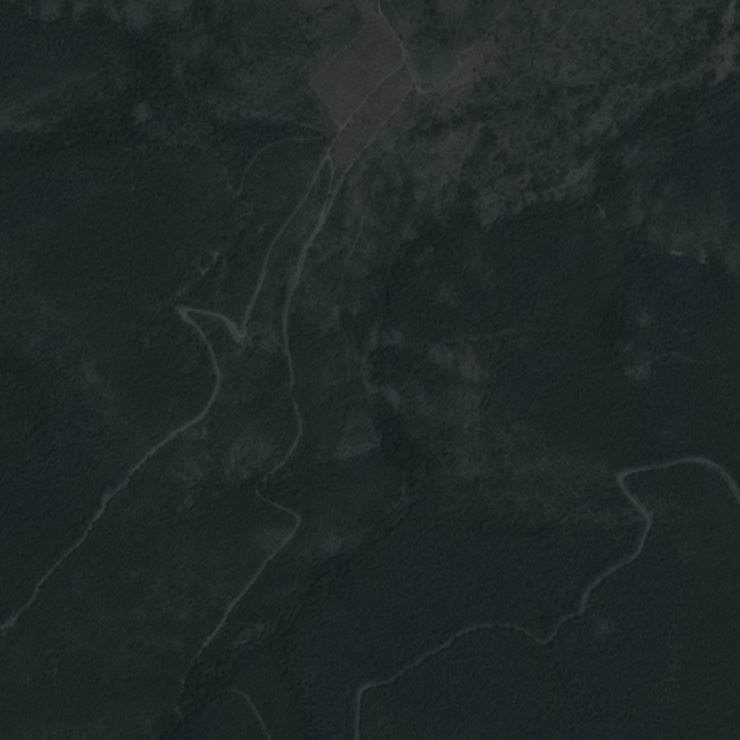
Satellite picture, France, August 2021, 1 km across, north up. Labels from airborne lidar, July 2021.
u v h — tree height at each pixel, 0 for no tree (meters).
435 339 6
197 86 6
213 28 6
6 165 6
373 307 6
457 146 0
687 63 5
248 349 6
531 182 6
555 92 6
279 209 0
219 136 6
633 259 8
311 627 6
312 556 6
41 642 6
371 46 0
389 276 5
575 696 6
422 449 6
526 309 6
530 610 7
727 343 6
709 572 5
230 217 6
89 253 6
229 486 6
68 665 6
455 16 0
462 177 6
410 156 0
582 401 5
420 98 0
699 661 6
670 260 7
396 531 7
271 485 13
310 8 0
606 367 7
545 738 7
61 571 6
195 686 12
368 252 0
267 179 0
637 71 6
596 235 6
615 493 6
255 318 5
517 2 0
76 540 7
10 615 6
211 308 7
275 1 0
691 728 6
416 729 6
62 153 7
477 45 0
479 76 0
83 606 7
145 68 8
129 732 6
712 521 5
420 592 7
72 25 6
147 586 5
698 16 6
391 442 8
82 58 6
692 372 6
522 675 8
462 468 0
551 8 0
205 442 6
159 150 6
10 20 6
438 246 7
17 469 6
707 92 17
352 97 0
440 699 5
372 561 8
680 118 7
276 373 9
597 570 7
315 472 6
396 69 0
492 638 6
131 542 5
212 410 6
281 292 6
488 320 6
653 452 8
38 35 6
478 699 6
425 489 5
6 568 7
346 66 0
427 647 7
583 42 7
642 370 0
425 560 6
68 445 6
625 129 6
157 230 6
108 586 7
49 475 5
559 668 6
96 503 6
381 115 0
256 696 7
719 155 6
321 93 0
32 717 6
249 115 8
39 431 8
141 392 6
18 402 7
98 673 7
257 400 7
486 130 6
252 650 7
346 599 7
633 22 0
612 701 7
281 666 8
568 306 6
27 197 5
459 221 8
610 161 7
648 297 6
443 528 7
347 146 0
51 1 0
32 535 6
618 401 7
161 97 7
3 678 7
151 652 6
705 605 5
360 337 7
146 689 8
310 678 6
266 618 7
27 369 10
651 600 5
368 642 6
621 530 7
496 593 7
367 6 0
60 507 6
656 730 5
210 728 6
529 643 6
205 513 7
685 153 5
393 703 5
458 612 7
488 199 0
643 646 5
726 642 5
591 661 6
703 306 6
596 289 6
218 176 6
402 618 6
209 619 6
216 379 8
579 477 5
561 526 6
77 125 12
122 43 7
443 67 0
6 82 6
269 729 9
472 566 7
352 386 8
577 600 6
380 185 0
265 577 6
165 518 7
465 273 6
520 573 7
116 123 8
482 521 7
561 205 8
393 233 7
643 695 6
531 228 6
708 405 6
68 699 7
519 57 0
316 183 0
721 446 5
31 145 7
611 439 7
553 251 6
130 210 6
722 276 12
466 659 7
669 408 5
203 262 6
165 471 7
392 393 0
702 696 5
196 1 9
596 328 7
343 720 6
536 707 9
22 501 8
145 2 0
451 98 0
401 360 7
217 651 10
